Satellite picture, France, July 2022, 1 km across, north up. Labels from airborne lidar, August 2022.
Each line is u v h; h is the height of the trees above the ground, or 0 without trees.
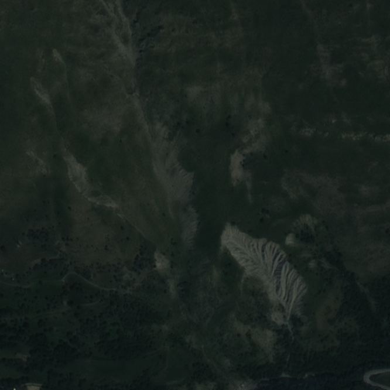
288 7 0
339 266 7
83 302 0
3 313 20
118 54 0
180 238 0
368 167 0
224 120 0
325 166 0
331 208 0
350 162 0
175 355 0
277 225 0
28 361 14
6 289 0
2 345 16
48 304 10
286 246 0
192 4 0
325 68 0
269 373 9
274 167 0
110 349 6
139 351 9
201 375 10
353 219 0
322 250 7
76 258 0
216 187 0
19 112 0
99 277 0
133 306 6
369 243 0
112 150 0
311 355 6
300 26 0
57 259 6
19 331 13
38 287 0
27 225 0
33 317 0
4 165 0
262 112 0
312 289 0
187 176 0
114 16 0
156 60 0
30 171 0
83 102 0
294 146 0
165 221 0
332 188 0
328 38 0
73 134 0
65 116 0
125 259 0
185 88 0
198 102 0
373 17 0
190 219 0
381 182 0
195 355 9
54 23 0
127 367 0
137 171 0
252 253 0
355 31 0
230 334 0
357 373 14
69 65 0
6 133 0
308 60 0
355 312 12
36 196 0
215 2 0
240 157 0
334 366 8
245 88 0
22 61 0
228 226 0
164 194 0
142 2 0
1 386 15
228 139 0
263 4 0
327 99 0
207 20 0
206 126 0
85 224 0
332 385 26
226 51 0
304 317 0
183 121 0
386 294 9
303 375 9
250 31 0
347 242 0
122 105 0
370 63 0
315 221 0
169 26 0
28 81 0
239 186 0
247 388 0
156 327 0
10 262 0
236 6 0
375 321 8
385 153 0
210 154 0
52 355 8
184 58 0
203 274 0
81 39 0
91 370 0
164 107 0
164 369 0
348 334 8
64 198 0
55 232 0
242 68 0
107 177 0
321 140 0
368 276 0
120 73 0
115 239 0
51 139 0
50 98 0
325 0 0
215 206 0
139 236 0
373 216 0
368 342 11
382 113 0
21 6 0
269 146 0
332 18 0
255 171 0
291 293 0
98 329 8
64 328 0
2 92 0
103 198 0
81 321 10
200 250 0
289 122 0
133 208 0
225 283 0
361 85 0
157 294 6
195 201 0
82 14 0
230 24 0
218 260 0
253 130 0
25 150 0
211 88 0
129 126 0
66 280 0
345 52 0
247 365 8
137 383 9
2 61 0
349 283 6
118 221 0
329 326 0
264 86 0
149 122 0
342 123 0
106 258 0
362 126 0
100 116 0
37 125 0
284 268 0
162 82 0
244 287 0
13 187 0
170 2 0
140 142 0
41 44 0
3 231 0
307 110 0
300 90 0
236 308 0
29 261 0
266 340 0
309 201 0
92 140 0
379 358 22
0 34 0
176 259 0
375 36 0
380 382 0
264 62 0
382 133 0
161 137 0
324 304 0
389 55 0
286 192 0
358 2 0
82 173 0
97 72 0
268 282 0
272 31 0
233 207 0
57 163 0
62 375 8
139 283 0
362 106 0
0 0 0
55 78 0
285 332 7
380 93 0
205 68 0
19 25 0
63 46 0
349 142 0
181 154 0
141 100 0
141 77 0
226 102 0
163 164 0
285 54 0
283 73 0
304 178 0
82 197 0
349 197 0
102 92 0
